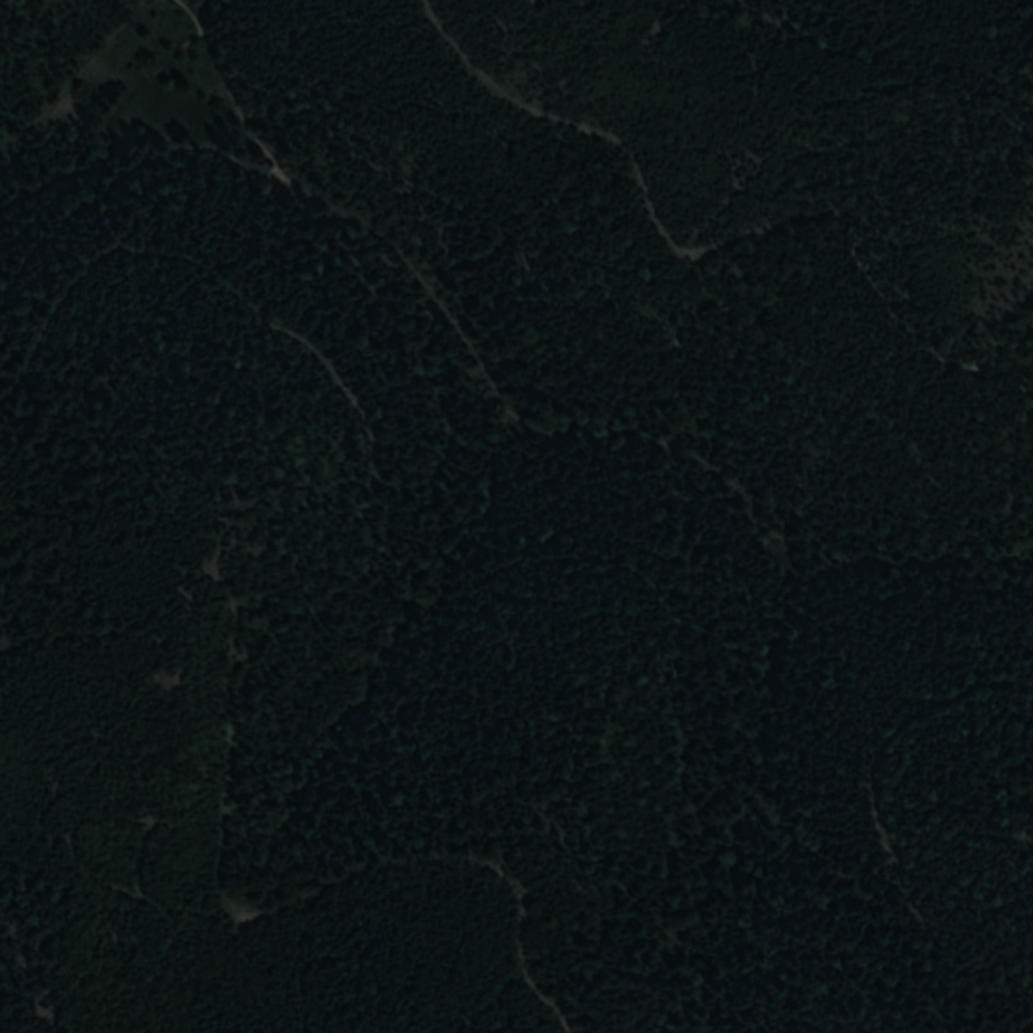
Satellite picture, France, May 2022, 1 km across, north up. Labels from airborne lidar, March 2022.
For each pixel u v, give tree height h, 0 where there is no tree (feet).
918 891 93
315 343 45
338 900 34
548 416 73
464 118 52
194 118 0
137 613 38
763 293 82
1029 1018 82
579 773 40
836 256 72
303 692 44
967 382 67
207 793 23
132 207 101
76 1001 43
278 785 45
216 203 43
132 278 34
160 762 33
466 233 92
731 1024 100
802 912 97
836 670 86
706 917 66
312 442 43
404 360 48
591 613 77
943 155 79
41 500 56
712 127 35
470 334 147
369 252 64
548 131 52
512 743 71
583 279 54
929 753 57
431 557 80
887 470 72
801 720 93
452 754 21
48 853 37
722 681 37
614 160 49
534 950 54
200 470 94
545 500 75
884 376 54
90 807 39
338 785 65
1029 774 112
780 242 75
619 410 108
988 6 56
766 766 91
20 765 24
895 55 52
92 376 29
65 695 29
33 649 28
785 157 30
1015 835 83
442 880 38
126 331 35
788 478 93
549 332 94
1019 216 82
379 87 62
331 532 79
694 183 32
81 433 36
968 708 90
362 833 41
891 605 110
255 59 37
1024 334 82
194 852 27
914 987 112
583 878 61
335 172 38
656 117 30
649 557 82
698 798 97
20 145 27
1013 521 69
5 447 64
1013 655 105
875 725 65
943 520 104
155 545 38
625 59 27
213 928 54
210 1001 37
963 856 58
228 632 29
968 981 97
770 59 48
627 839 93
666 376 108
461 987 60
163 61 0
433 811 44
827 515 91
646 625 63
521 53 29
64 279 31
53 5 100
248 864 39
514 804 60
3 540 65
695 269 51
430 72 37
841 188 78
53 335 29
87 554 33
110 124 0
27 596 44
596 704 46
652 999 107
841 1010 93
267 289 57
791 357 60
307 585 90
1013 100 79
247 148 44
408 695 105
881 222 78
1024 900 84
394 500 70
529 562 69
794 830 64
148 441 68
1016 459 75
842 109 61
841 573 68
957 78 94
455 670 80
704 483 103
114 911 31
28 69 34
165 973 49
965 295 26
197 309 70
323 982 52
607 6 27
